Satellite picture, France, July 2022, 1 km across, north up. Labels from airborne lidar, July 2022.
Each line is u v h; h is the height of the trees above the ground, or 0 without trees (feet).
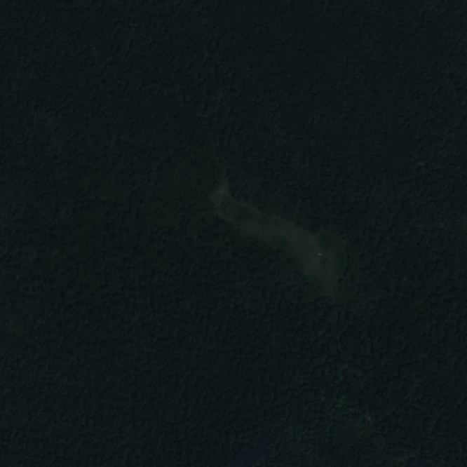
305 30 109
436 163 108
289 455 44
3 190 53
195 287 81
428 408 94
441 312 83
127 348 36
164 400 29
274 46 96
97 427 34
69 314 77
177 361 96
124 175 62
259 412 91
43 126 29
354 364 100
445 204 85
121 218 43
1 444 38
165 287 115
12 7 96
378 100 61
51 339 93
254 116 93
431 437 70
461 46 53
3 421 93
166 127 48
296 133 90
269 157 79
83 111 84
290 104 107
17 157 64
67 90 91
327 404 82
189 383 98
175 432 103
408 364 93
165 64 100
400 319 108
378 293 31
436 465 116
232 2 102
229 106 70
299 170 93
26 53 105
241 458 51
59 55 88
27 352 87
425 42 81
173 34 93
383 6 97
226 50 99
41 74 69
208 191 33
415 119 59
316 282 0
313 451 36
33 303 86
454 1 65
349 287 32
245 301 101
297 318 94
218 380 97
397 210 32
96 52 90
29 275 40
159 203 54
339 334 57
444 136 76
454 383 101
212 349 64
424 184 88
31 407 58
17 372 98
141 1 64
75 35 80
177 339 65
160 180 45
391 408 93
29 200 73
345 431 49
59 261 42
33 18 82
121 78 85
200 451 87
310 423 73
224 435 66
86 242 34
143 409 37
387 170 57
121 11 81
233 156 32
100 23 86
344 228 42
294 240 0
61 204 80
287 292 93
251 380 113
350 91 100
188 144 45
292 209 31
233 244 25
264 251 25
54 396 44
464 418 103
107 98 81
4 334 55
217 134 35
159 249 40
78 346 92
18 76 86
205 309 78
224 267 90
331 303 28
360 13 92
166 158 19
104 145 35
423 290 94
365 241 30
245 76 75
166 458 83
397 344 125
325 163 83
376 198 22
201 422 94
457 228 52
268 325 61
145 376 108
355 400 101
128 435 94
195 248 93
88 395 113
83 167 57
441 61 72
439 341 115
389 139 92
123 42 85
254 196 31
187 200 40
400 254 89
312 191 96
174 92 83
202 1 94
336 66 114
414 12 87
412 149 82
